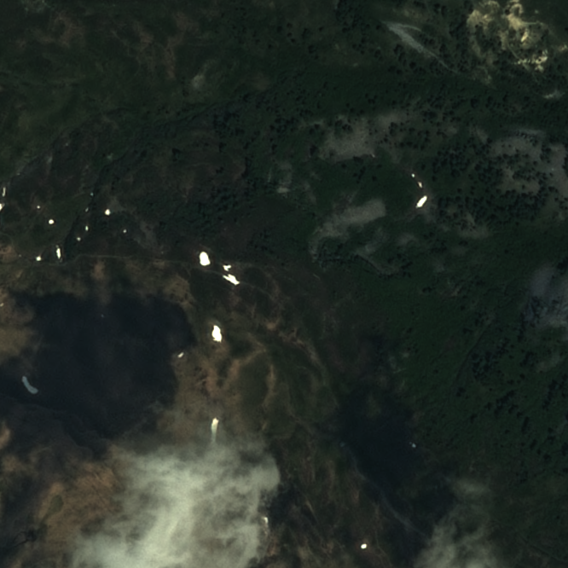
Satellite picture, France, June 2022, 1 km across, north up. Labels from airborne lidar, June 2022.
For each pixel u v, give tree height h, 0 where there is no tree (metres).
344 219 0
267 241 9
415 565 0
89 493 0
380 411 0
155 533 0
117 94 0
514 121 9
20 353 0
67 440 0
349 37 12
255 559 0
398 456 0
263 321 0
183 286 0
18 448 0
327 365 0
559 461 5
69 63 0
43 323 0
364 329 0
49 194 0
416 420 0
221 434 0
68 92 0
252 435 0
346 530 0
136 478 0
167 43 0
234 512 0
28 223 0
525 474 7
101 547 0
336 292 9
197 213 6
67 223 0
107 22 0
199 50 0
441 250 16
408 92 8
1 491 0
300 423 0
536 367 25
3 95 0
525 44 0
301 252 5
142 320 0
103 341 0
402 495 0
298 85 10
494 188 16
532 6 0
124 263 0
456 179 25
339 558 0
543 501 0
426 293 16
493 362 20
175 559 0
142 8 0
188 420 0
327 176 5
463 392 18
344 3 20
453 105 7
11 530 0
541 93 12
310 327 0
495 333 5
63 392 0
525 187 14
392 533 0
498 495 0
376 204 0
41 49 0
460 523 0
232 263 0
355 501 0
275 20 0
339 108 0
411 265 19
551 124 11
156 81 0
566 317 0
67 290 0
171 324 0
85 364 0
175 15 0
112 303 0
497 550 0
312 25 0
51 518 0
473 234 0
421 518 0
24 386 0
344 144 0
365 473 0
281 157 6
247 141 6
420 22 0
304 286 0
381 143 7
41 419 0
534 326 15
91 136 0
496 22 0
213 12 0
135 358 0
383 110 0
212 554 0
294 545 0
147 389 0
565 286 0
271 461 0
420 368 5
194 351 0
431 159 5
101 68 0
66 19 0
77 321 0
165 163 0
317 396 0
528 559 0
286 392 0
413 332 16
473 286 9
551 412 16
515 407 19
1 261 0
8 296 0
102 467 0
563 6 0
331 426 0
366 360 0
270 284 0
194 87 0
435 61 11
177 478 0
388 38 0
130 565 0
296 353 0
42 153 0
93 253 0
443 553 0
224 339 0
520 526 0
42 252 0
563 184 0
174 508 0
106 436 0
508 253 19
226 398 0
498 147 0
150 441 0
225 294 0
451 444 7
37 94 0
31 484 0
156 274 0
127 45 0
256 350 0
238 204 12
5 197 0
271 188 8
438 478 0
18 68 0
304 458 0
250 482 0
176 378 0
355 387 0
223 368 0
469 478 0
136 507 0
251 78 0
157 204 6
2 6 0
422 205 0
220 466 0
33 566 0
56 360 0
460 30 24
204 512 0
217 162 0
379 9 0
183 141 0
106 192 0
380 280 7
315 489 0
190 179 0
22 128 0
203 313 0
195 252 0
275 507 0
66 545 0
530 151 0
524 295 7
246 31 11
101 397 0
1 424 0
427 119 8
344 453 0
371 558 0
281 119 18
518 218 21
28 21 0
